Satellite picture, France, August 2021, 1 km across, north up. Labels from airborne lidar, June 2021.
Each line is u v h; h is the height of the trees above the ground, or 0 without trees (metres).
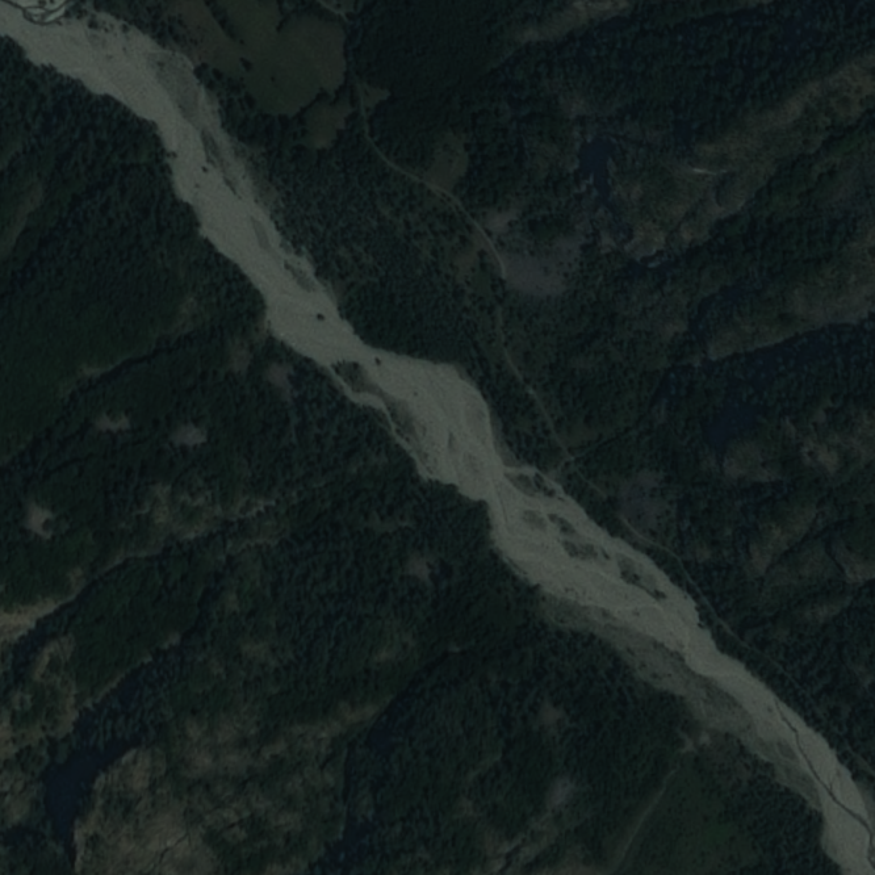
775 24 22
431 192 9
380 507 13
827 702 26
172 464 18
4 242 8
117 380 22
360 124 14
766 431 12
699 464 8
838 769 0
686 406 17
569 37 11
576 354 7
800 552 6
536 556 0
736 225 18
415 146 8
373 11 24
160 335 10
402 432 7
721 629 9
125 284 18
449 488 8
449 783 14
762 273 6
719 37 16
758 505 8
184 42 8
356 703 14
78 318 13
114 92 0
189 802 9
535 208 7
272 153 13
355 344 0
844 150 13
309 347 0
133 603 15
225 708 10
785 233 22
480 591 6
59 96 13
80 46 0
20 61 12
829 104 7
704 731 0
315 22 0
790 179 14
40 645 7
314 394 23
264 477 13
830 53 15
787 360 17
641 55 14
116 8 7
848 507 15
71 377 15
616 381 7
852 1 8
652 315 8
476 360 13
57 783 7
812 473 7
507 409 18
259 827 8
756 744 0
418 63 25
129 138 19
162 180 31
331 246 15
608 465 11
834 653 12
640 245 11
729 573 24
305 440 11
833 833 0
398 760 13
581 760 10
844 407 6
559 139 12
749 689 0
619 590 0
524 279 0
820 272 10
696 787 0
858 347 15
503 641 13
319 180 14
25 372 17
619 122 6
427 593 21
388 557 7
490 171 25
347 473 9
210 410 14
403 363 0
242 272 7
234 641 22
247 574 10
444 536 26
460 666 17
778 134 8
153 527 13
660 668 0
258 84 0
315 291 0
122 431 10
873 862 0
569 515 0
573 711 9
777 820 12
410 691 7
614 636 0
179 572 20
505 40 21
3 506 11
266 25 0
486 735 17
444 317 12
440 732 28
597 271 6
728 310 7
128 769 6
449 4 23
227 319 11
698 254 27
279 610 9
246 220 0
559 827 9
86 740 22
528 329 8
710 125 10
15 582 14
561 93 6
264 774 7
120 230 16
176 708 6
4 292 16
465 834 7
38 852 14
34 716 11
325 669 11
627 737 6
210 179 0
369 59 20
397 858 6
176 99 0
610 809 6
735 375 7
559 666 9
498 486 0
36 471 11
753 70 18
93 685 8
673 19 22
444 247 9
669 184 7
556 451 9
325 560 19
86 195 15
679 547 8
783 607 10
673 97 9
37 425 14
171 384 10
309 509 17
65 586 11
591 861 8
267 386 13
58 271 9
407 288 19
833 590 13
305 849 7
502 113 11
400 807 20
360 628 11
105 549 21
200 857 0
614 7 18
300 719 8
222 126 7
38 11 0
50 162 19
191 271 9
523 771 18
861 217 5
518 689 30
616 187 8
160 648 8
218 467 16
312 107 8
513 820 9
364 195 14
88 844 8
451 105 23
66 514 10
